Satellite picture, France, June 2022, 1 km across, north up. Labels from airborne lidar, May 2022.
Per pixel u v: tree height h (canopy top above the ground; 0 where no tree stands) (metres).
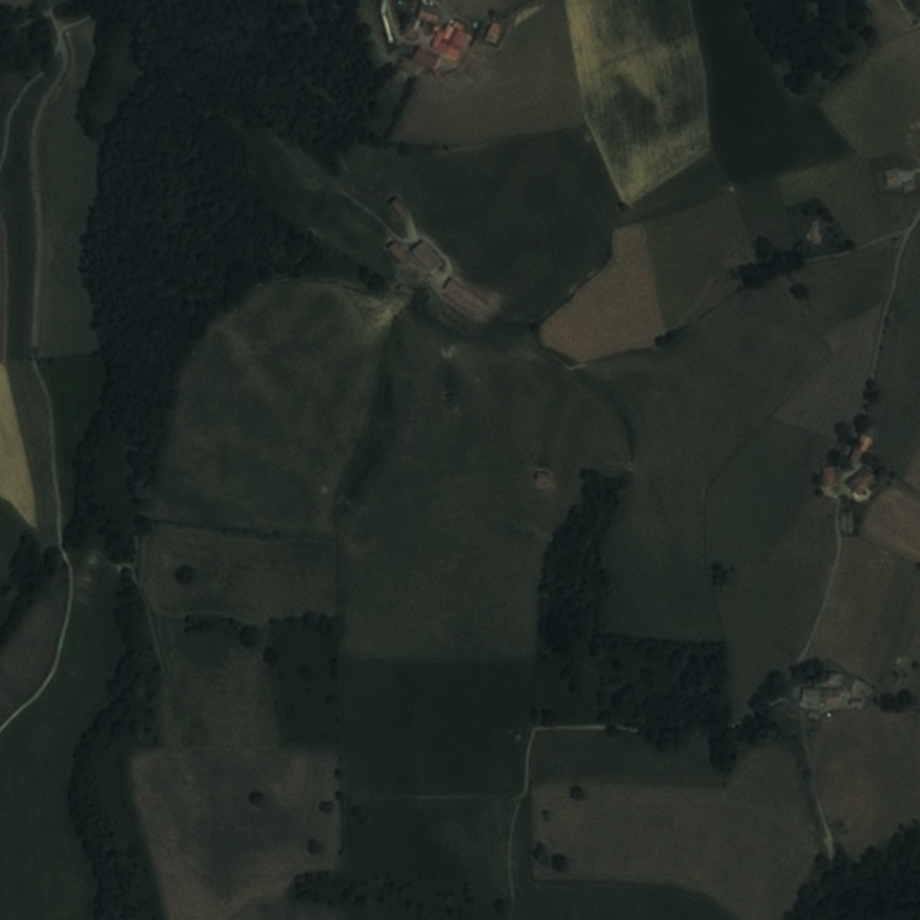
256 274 8
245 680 0
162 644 0
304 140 19
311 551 0
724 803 0
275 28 20
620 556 0
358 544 0
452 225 0
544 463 0
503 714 0
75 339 0
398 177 0
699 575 0
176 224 15
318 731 0
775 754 0
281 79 24
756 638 0
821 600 0
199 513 0
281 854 0
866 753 0
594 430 0
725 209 0
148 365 19
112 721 8
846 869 18
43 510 0
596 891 0
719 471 0
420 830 0
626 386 0
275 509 0
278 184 0
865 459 12
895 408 0
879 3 0
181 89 25
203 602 0
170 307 19
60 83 0
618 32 0
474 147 0
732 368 0
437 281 0
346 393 0
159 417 9
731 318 0
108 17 19
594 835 0
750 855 0
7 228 0
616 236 0
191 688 0
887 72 0
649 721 9
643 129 0
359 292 0
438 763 0
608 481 9
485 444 0
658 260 0
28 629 0
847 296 0
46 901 0
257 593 0
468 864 0
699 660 15
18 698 0
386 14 0
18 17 12
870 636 0
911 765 0
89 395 0
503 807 0
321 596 0
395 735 0
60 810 0
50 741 0
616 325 0
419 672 0
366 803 0
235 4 17
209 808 0
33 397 0
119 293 17
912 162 0
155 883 0
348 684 0
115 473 0
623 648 7
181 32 20
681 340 0
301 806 0
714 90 0
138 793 0
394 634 0
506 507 0
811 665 11
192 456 0
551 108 0
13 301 0
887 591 0
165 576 0
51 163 0
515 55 0
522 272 0
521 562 0
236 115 28
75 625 0
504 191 0
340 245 0
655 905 0
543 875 0
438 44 0
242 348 0
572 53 0
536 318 0
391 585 0
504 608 0
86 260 15
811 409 0
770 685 12
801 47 23
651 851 0
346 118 13
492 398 0
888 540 0
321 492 0
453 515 0
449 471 0
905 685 0
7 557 0
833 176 0
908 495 0
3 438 0
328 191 0
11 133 0
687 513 0
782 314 0
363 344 0
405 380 0
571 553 19
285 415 0
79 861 0
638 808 0
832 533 0
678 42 0
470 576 0
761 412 0
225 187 18
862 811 0
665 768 0
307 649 0
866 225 0
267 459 0
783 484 0
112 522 11
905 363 0
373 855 0
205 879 0
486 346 0
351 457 0
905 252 0
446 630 0
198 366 0
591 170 0
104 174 16
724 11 0
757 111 0
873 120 0
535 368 0
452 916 11
